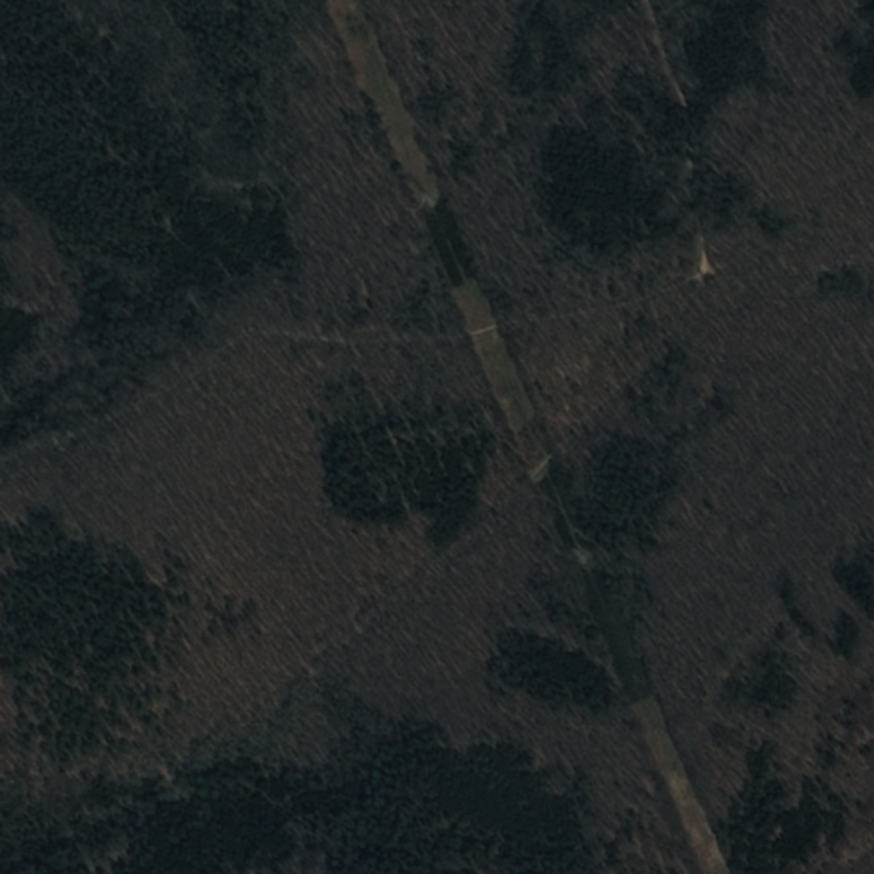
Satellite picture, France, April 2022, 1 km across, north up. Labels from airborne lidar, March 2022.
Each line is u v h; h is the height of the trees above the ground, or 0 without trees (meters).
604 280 27
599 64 29
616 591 19
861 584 32
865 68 17
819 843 9
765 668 12
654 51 28
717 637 22
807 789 13
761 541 24
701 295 26
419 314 28
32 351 9
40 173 30
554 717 18
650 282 25
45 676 20
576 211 27
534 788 11
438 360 22
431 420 12
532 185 32
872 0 26
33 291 28
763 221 20
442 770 12
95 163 31
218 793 16
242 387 24
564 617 24
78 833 22
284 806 11
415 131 0
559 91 20
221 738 22
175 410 23
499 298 25
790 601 27
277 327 25
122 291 13
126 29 29
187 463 24
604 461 23
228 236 7
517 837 11
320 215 27
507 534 27
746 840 10
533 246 31
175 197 6
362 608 21
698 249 24
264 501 27
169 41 28
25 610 25
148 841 33
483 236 31
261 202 8
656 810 28
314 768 21
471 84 22
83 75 13
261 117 25
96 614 20
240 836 11
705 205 22
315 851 13
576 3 27
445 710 24
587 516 23
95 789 15
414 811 9
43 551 22
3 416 16
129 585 9
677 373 22
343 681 26
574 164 25
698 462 18
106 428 24
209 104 28
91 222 17
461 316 26
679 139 26
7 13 27
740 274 21
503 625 22
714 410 19
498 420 20
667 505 23
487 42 25
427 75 29
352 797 10
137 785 26
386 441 25
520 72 26
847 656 23
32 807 9
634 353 22
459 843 26
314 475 24
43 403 12
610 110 30
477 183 30
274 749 24
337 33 26
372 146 22
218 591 23
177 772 24
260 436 24
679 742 22
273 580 24
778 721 14
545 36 19
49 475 22
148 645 17
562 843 11
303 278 25
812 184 0
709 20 23
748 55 25
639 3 25
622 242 25
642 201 24
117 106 31
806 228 22
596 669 14
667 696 23
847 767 14
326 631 26
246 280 24
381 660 26
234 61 28
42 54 6
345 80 24
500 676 22
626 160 24
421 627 23
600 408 24
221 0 21
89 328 8
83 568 9
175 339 27
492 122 26
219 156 29
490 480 18
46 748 11
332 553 26
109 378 23
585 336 20
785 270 22
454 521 23
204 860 12
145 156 10
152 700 25
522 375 17
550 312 27
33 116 27
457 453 9
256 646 21
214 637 21
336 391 21
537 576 23
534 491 27
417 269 30
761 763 11
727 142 29
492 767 12
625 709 21
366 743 23
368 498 9
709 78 24
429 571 23
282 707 25
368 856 12
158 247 10
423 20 26
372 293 25
